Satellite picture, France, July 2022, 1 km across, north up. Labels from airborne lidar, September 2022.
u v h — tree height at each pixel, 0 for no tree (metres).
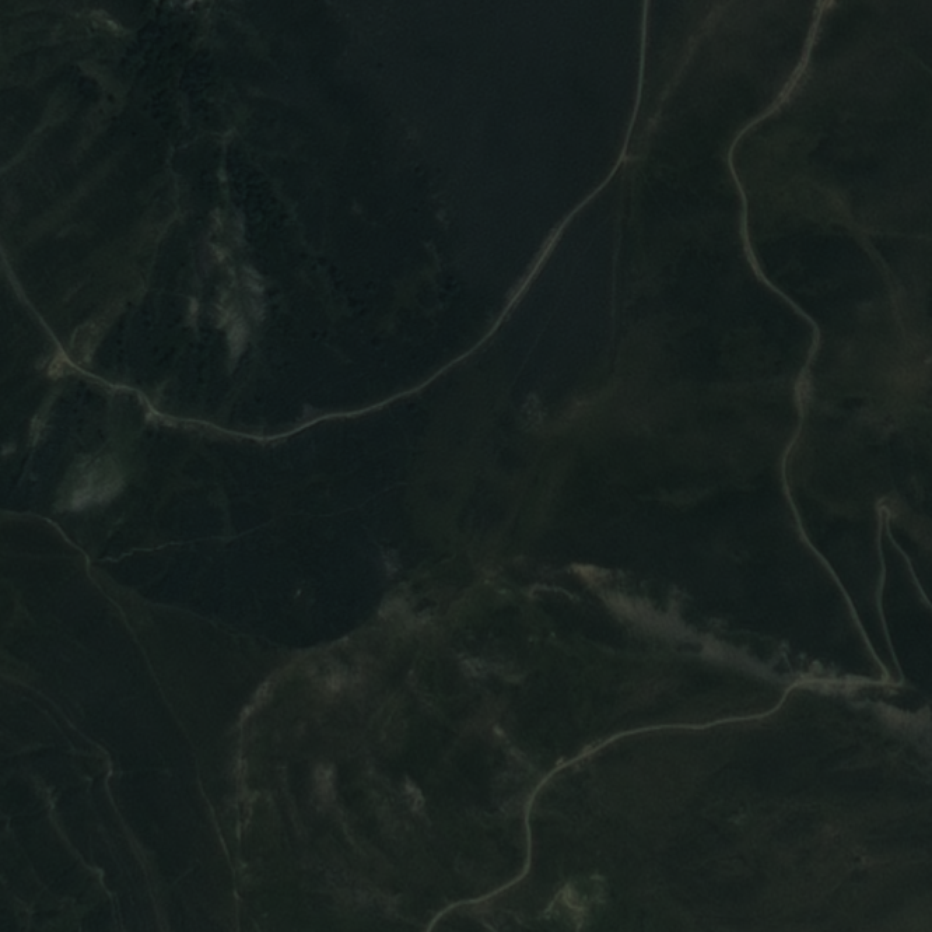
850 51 0
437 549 0
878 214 0
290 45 0
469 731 0
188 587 0
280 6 0
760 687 0
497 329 0
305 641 0
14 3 0
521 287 0
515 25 0
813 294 0
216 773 0
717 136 0
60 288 0
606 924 0
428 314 0
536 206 0
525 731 0
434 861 0
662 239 0
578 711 0
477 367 0
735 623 0
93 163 0
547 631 0
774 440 0
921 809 0
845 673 0
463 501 0
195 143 0
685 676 0
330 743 0
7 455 0
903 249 0
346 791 0
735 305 0
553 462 0
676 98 0
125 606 0
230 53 0
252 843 0
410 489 0
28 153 0
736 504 0
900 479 0
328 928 0
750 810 0
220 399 0
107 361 0
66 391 0
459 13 0
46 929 0
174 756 0
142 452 0
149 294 0
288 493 0
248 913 0
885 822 0
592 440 0
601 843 0
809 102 0
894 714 0
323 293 0
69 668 0
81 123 0
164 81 13
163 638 0
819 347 0
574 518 0
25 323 0
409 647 0
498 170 0
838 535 0
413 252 0
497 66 0
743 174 0
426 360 0
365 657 0
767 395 0
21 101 0
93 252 0
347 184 0
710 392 0
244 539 0
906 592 0
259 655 0
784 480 0
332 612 0
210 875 0
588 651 0
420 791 0
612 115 0
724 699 0
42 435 0
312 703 0
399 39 0
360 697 0
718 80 0
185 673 0
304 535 0
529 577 0
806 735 0
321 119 0
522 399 0
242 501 0
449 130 0
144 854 0
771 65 0
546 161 0
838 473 0
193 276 0
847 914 0
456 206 0
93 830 0
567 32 0
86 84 11
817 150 0
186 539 0
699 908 0
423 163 0
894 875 0
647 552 0
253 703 0
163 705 0
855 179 0
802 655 0
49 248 0
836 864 0
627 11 0
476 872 0
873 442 0
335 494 0
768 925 0
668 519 0
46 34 0
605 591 0
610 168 0
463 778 0
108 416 0
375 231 0
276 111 0
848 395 0
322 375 0
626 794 0
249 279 0
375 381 0
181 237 0
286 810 0
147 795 0
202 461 0
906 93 0
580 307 0
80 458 0
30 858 0
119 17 0
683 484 0
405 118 0
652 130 0
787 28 0
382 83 0
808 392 0
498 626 0
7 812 0
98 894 0
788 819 0
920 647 0
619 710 0
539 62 0
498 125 0
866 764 0
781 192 0
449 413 0
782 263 0
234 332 0
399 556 0
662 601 0
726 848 0
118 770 0
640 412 0
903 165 0
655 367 0
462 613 0
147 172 0
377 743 0
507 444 0
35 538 0
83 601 0
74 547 0
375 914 0
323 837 0
